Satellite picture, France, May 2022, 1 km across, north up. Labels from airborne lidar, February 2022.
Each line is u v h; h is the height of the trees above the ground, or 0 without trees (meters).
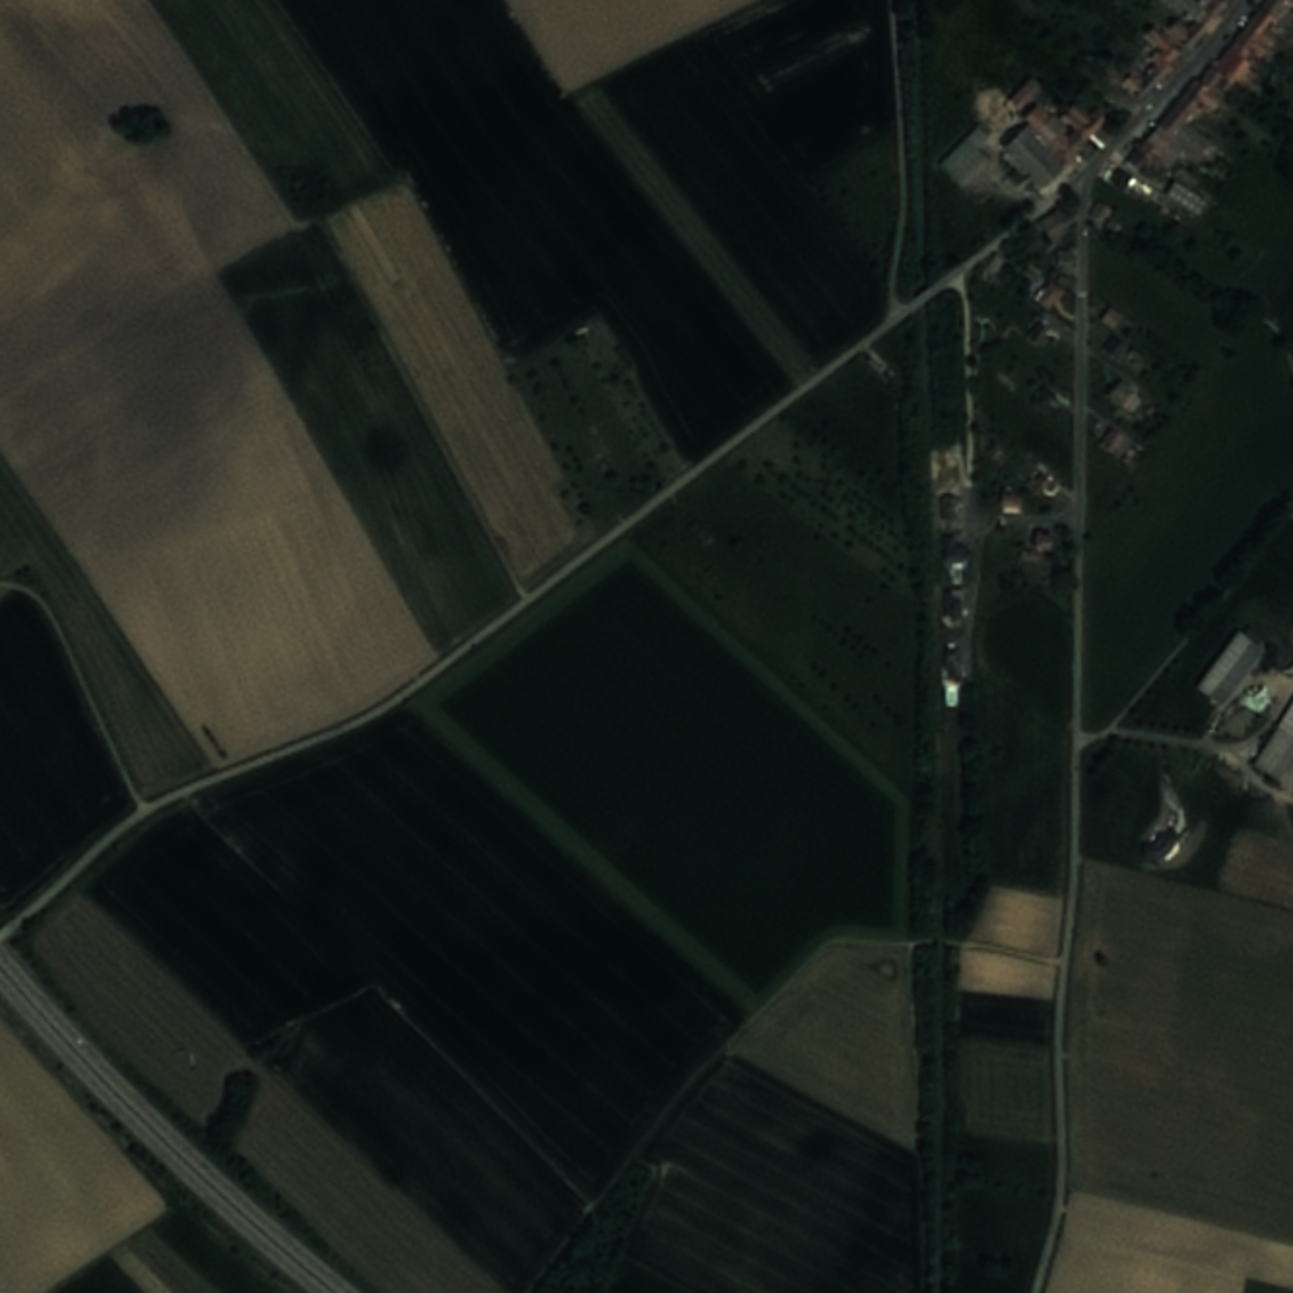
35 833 0
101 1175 0
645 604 0
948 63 0
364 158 0
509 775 0
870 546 7
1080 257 0
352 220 0
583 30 0
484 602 0
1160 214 0
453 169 0
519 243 0
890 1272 0
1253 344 0
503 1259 0
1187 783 0
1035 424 0
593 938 0
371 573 0
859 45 0
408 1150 0
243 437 0
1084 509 0
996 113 0
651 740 0
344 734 0
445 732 0
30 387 0
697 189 0
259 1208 0
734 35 0
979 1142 0
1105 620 0
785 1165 0
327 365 0
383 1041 0
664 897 0
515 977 0
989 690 0
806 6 0
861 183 0
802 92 0
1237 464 0
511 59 0
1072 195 16
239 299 0
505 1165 0
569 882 0
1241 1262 0
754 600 0
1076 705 0
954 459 0
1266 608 0
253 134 0
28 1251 0
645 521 0
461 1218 0
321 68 0
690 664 0
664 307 0
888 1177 0
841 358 0
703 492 0
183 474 0
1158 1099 0
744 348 0
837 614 0
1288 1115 0
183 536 0
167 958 0
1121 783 0
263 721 0
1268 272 0
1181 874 0
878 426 0
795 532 0
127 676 0
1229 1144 0
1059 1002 0
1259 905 0
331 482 0
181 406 0
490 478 0
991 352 7
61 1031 0
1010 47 0
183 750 0
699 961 0
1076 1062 0
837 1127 0
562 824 0
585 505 6
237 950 0
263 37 0
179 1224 0
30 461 0
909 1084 0
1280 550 0
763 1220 0
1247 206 0
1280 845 0
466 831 0
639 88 0
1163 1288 0
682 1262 0
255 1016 0
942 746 0
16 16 0
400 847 0
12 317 0
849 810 0
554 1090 0
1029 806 0
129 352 0
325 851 0
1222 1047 0
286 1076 0
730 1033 0
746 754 0
